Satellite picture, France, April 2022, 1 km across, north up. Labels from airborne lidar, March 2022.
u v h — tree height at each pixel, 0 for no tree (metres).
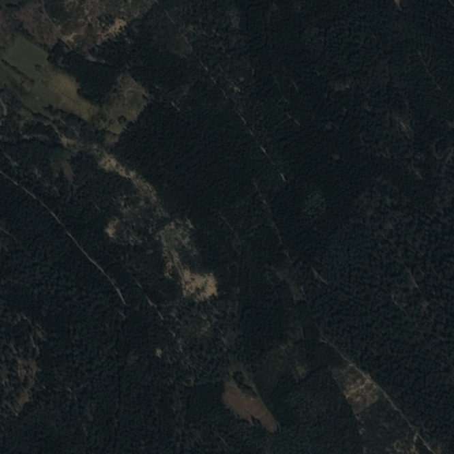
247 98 19
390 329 19
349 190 19
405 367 23
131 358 18
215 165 21
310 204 19
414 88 9
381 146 29
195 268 7
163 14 12
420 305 14
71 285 33
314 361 6
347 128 23
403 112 23
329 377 13
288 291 14
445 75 15
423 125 22
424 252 19
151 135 19
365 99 25
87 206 15
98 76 16
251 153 14
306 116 15
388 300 17
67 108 0
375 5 26
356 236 23
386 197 22
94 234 17
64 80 0
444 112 16
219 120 13
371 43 29
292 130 15
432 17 19
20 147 16
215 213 16
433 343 25
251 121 13
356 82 13
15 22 14
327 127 21
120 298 10
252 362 17
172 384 17
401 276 17
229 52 17
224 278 11
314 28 7
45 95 0
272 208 11
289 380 8
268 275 8
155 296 12
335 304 28
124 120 11
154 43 10
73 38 0
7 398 26
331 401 21
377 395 0
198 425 17
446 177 17
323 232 16
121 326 27
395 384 18
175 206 10
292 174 15
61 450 18
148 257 13
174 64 11
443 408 23
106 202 9
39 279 23
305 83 15
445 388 15
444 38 22
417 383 11
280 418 8
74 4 0
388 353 20
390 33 29
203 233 11
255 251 8
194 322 26
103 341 23
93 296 22
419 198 18
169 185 6
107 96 20
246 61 16
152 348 19
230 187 15
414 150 23
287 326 13
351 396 0
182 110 10
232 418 14
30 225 17
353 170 22
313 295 15
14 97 17
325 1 15
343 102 18
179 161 24
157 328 26
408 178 13
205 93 12
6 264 14
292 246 18
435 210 17
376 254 22
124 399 26
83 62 19
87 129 31
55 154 26
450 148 20
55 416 16
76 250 16
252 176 15
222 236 11
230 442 26
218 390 17
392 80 14
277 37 16
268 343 18
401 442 6
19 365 15
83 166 26
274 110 17
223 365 23
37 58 0
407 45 13
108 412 23
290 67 21
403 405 18
